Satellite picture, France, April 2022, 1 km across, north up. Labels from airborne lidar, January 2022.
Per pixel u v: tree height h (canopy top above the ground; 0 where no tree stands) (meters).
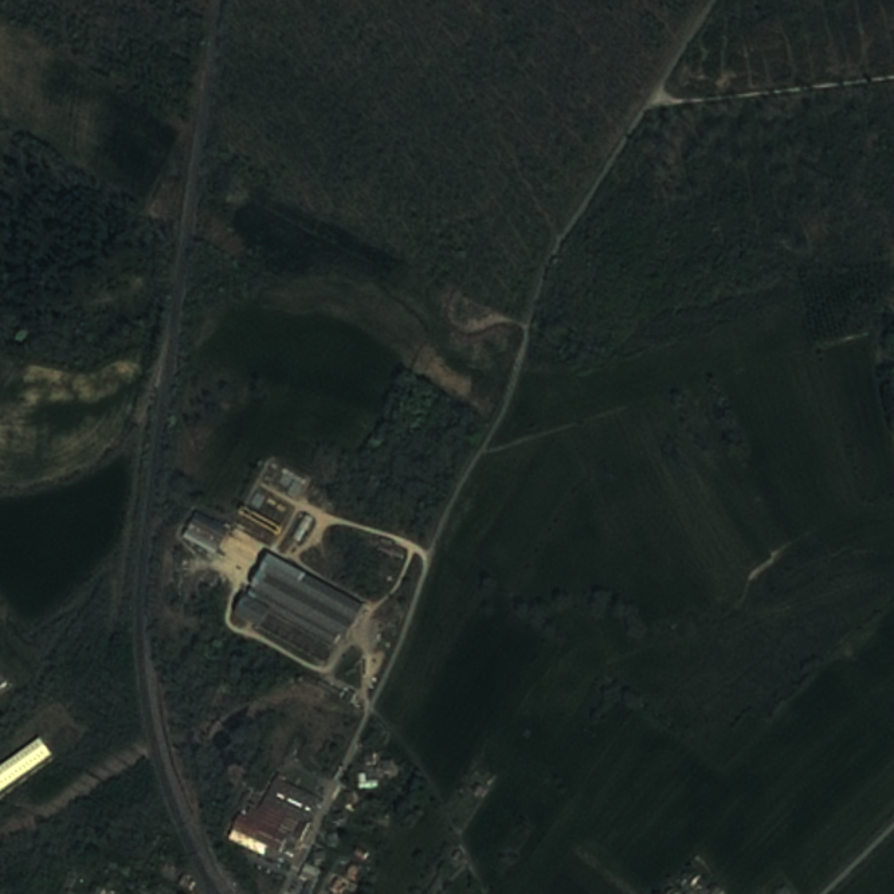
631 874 0
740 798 0
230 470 0
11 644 0
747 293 23
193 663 22
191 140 0
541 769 0
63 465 0
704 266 12
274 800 0
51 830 19
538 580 0
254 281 16
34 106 0
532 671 0
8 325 21
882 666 0
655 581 0
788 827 0
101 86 0
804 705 0
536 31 15
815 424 0
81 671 6
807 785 0
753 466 0
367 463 16
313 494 0
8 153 0
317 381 0
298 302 0
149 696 0
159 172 0
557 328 25
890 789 0
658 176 27
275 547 0
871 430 0
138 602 0
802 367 0
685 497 0
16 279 27
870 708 0
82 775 11
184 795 18
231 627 0
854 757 0
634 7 12
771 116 29
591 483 0
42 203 29
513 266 17
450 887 11
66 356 21
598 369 8
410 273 0
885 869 0
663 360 0
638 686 0
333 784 0
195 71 13
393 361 0
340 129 14
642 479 0
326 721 0
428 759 0
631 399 0
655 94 0
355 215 17
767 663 0
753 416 0
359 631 0
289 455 0
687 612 0
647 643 0
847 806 0
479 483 0
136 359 0
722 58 0
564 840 0
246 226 0
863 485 0
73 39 7
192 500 24
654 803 0
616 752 0
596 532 0
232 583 0
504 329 0
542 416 0
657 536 0
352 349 0
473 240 12
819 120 25
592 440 0
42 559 0
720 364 0
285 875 0
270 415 0
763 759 0
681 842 0
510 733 0
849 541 0
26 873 11
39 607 0
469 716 0
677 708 0
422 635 0
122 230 25
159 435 0
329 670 0
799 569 0
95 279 24
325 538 0
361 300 0
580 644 0
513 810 0
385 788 0
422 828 0
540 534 0
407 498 16
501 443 0
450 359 0
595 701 0
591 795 0
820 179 27
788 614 0
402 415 18
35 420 0
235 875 11
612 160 0
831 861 0
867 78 0
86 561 0
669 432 0
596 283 10
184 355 11
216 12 0
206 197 6
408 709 0
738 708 0
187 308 8
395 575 0
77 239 26
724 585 0
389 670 0
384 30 14
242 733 20
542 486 0
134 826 22
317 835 0
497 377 0
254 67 17
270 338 0
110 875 9
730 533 0
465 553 0
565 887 0
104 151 0
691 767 0
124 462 0
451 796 0
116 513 0
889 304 0
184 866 11
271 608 0
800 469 0
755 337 0
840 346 0
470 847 0
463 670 0
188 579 0
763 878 0
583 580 0
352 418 0
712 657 0
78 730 0
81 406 0
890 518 0
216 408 15
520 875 0
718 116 28
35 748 0
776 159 25
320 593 0
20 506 0
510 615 0
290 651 0
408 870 0
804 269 7
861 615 0
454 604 0
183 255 0
